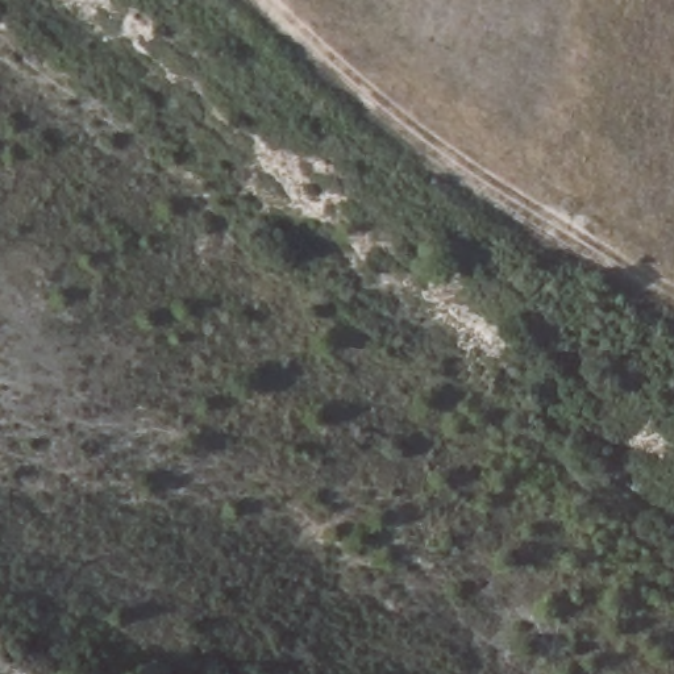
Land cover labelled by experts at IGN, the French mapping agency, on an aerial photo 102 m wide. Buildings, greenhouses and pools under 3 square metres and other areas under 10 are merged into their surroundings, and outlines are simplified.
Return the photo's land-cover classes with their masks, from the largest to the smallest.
<instances>
[{"label":"brushwood","instance_id":"1","mask_svg":"<svg viewBox=\"0 0 674 674\"><path fill-rule=\"evenodd\" d=\"M124 5L129 13H134V18L153 26L147 53L140 55L134 53L129 37H121L118 42H100L97 34L87 26L79 8H66L58 0H0V24H8V29L18 39L13 50L16 63L24 58L47 61L53 68L68 74L71 90H84L90 97L113 105L116 118L132 121L129 134L142 145L145 153L137 161L134 171L153 174V166H161L171 176L192 184L195 197L205 200V205L192 216L195 237L226 234L237 245L247 232H255L263 224L269 213L263 211L261 200L245 190V182L250 179V166L258 161L253 147L255 134H261L263 142L274 150L316 155L324 163L334 166L332 174H319L316 182L305 184V192L311 197H319L321 192L342 195V203H326L324 211L329 213V221L319 226V234L334 240L337 245L329 255L313 258L300 269H290V263H284L282 269L271 271L274 279L276 287L292 292L298 311L313 308L316 316L329 319L332 326H350L366 334V358L387 366V392L395 400V411L405 408L413 421L424 419L429 405L442 411L440 432L445 437V453L458 466H479V479L474 482V500L461 498L434 471L427 474V482L419 487L421 492H427L429 498L437 495L440 500H448L455 508L487 513L490 495L503 490V479L511 474V469H519L524 482L516 487V492L529 495L542 521H558L566 529L569 542L584 548L574 561L569 556H561L556 561L558 571H566L561 587L563 592H556L553 598L540 595L532 606H513L521 621L516 640H511V658L524 661L527 653H534L542 656L548 663H556L563 674H674V292L669 298H661L640 287L624 269H608L577 255L574 250L556 247L550 240L534 234L529 226L519 224L506 211L495 208L490 200L471 192L461 182V176L450 171H434L411 142L398 137V132H392L382 118H376L350 90L340 84V79L329 68L316 63L311 53L295 39L284 34L253 0H113ZM355 234H369L371 250L366 261L353 269L350 245ZM382 274L408 276L421 290H427L429 284H448L453 276L461 274L463 287L455 303L469 305L471 313L482 316L490 326L498 329L513 316L524 321L532 342L545 353L548 363L556 366L577 387V392L592 411L590 424L584 429L603 434L606 440L619 445H632V437L640 432H658L671 442L663 453H650L642 448H632L627 453L632 490L645 495L650 506L635 521H616L606 513H592L584 506V500L592 495L595 487H606L608 477L600 461H595L584 450H577L582 471L587 474V487L574 482L566 466L556 458L566 442L545 432L542 421L537 419V398L506 395L508 387H516L513 376L519 371V353L506 342V348L498 355H487L482 348H458V334L440 321H434L432 326H416L408 319H398L400 300L392 290L379 287ZM132 492L111 487L87 492L63 474L61 490L55 492L18 495L11 490H0V632H11L21 653L50 666L53 671L76 669V674H95L97 658L90 645L105 640L113 629L137 642L140 648L155 645L163 650L187 653L195 645L203 653H234L245 674H500V653L495 645L474 648L471 642L466 648L448 642L434 632H416L413 624L427 619L424 611L403 616L400 611H387L371 595H345V590L340 587V574H324L311 548H300L287 532H269L258 524V516L263 511L261 500H237L234 519H221L219 513H213L203 521L200 506L190 503L187 498H179V490H166L161 495L150 492L142 506H129Z\"/></svg>","mask_w":674,"mask_h":674},{"label":"herbaceous vegetation","instance_id":"2","mask_svg":"<svg viewBox=\"0 0 674 674\"><path fill-rule=\"evenodd\" d=\"M66 8H79L87 26L97 34L100 42H118L121 37H129L134 53L140 55L147 53L153 26L134 18V13H129L124 5L113 0H58ZM18 39L8 29V24H0V490H11L18 495L55 492L61 490L63 474L87 492L111 487L132 492L129 506H142L150 492L161 495L166 490H179V498H187L190 503L200 506L203 521L213 513H219L221 519H234L237 500H261L263 511L258 516V524L269 532H287L300 548H311L324 574H340V587L345 590V595H371L387 611H400L403 616L424 611L427 619L413 624L416 632H434L448 642L466 648L471 642L474 648L495 645L500 653V674H563L556 663H548L542 656L534 653H527L524 661L511 658V640H516L521 621L513 606H532L540 595L553 598L556 592H563L561 587L566 571H558L556 561L561 556H569L574 561L584 548L569 542L566 529L558 521H542L529 495L516 492V487L524 482L519 469H511V474L503 479V490L490 495L487 513L455 508L448 500H440L437 495L429 498L427 492H421L419 487L427 482V474L434 471L461 498L474 500V482L479 479V466H458L445 453V437L440 432L442 411L429 405L424 419L413 421L405 408L395 411V400L387 392V366L366 358V334L350 326H332L329 319L316 316L313 308L298 311L292 292L276 287L274 279L250 271L237 245L226 234L195 237L192 216L205 205V200L195 197L192 184L171 176L161 166H153V174L134 171L137 161L145 153L142 145L129 134L132 121L116 118L113 105L90 97L84 90H71L68 74L53 68L47 61L24 58L16 63L13 50ZM305 405L321 408L319 419L321 424H326V437H313L303 427L300 419ZM332 529L337 532V537H358V556L340 553V548L324 545V532ZM253 147L258 161L250 166V179L245 182V190L261 200L263 211L269 213L279 211L290 216L284 224H279V232L284 237V263H290V269H300L313 258L329 255L337 245L334 240L319 234V226L329 221V213L324 211L326 203H342V195L321 192L319 197H311L305 192V184L316 182L319 174H332L334 166L324 163L316 155L274 150L263 142L261 134H255ZM353 269L366 261L371 250L369 234H355L350 245ZM379 287L392 290L400 300L398 319H408L416 326H432L434 321H440L458 334V348H482L487 355H498L506 348V342L498 334V329L490 326L482 316L471 313L469 305L455 303L463 287L461 274L453 276L448 284H429L427 290H421L408 276L382 274ZM671 442L658 432H640L632 437V445H619L606 440L603 434L584 429L582 442L574 448L577 450H584L595 461H600L608 477L606 487H595L592 495L584 500V506L592 513H606L616 521H635L650 506L645 495L632 490L627 453L632 448H642L650 453H663Z\"/></svg>","mask_w":674,"mask_h":674},{"label":"agricultural land","instance_id":"3","mask_svg":"<svg viewBox=\"0 0 674 674\"><path fill-rule=\"evenodd\" d=\"M295 8V13L303 21H308L303 34L295 39L311 53L316 63L329 68L340 79V84L350 90L376 118H382L392 132H398V137L411 142L434 171H450L461 176V182L471 192L490 200L495 208L506 211L519 224L529 226L534 234L550 240L556 247L574 250L577 255L608 269H624L640 287L661 298H669L674 292V0H287Z\"/></svg>","mask_w":674,"mask_h":674},{"label":"deciduous trees","instance_id":"4","mask_svg":"<svg viewBox=\"0 0 674 674\"><path fill-rule=\"evenodd\" d=\"M290 216L279 211L269 213L263 224L255 232H247L237 245L250 271L274 279L271 271L282 269L284 263V237L279 232V224H284ZM498 334L506 342L519 353V371L513 376L516 387H508L506 395L537 398V419L542 421L545 432L566 442L556 458L566 466L574 482L587 487V474L582 471L577 450L574 448L582 442L584 429L590 424L592 411L577 392V387L556 366L548 363L545 353L532 342L524 321L513 316L498 329ZM321 408L305 405L300 419L303 427L313 437H326V424H321L319 419ZM324 545L340 548V553L358 556V537H337V532L332 529L324 532ZM0 674H76V669L53 671L50 666L21 653L11 632H0ZM97 658L95 674H245L234 653H203L195 645L187 653L163 650L155 645L140 648L137 642L113 629L105 640L90 645Z\"/></svg>","mask_w":674,"mask_h":674},{"label":"pervious surface","instance_id":"5","mask_svg":"<svg viewBox=\"0 0 674 674\"><path fill-rule=\"evenodd\" d=\"M284 34L295 39L303 34L308 21H303L295 13V8L287 0H253Z\"/></svg>","mask_w":674,"mask_h":674}]
</instances>
